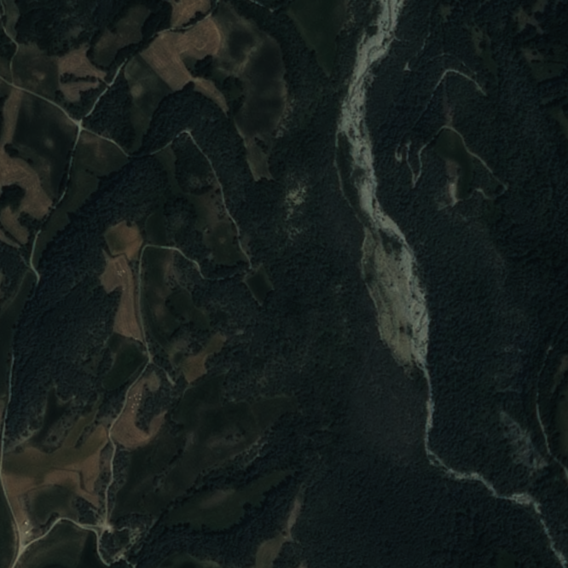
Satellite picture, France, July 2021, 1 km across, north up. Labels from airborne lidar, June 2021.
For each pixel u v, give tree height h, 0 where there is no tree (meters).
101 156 0
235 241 6
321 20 0
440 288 8
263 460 12
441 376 13
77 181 0
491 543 16
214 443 0
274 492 13
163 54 0
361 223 6
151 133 14
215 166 8
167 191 10
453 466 11
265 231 9
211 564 0
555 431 9
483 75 16
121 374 0
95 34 10
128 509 0
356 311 10
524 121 11
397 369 6
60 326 14
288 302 15
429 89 10
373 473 20
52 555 0
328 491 14
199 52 0
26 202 0
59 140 0
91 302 11
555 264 10
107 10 18
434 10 10
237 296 13
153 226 0
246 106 0
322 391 11
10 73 0
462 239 9
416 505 16
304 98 7
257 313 14
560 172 10
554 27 26
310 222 12
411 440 8
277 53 0
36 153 0
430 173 6
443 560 14
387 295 0
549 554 19
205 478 12
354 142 0
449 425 15
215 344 0
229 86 13
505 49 11
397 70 8
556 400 11
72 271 12
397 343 0
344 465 18
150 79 0
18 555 0
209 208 0
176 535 13
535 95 12
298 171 8
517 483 15
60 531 0
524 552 14
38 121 0
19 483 0
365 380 7
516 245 16
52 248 22
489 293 10
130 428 0
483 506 13
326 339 14
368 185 0
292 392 9
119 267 0
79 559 0
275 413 0
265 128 0
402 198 11
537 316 9
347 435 19
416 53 8
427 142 8
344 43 8
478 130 12
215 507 0
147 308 0
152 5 13
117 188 24
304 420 20
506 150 13
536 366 7
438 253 10
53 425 0
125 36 0
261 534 11
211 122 10
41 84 0
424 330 0
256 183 12
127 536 6
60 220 0
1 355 0
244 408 0
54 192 0
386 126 14
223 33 0
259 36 0
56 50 7
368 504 16
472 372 11
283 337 14
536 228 13
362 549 15
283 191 8
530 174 15
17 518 0
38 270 6
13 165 0
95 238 14
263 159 0
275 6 10
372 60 0
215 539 18
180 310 0
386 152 7
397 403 7
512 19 14
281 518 12
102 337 6
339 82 9
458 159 0
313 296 18
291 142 13
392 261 0
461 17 17
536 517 8
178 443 0
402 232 9
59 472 0
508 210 11
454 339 10
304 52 16
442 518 18
